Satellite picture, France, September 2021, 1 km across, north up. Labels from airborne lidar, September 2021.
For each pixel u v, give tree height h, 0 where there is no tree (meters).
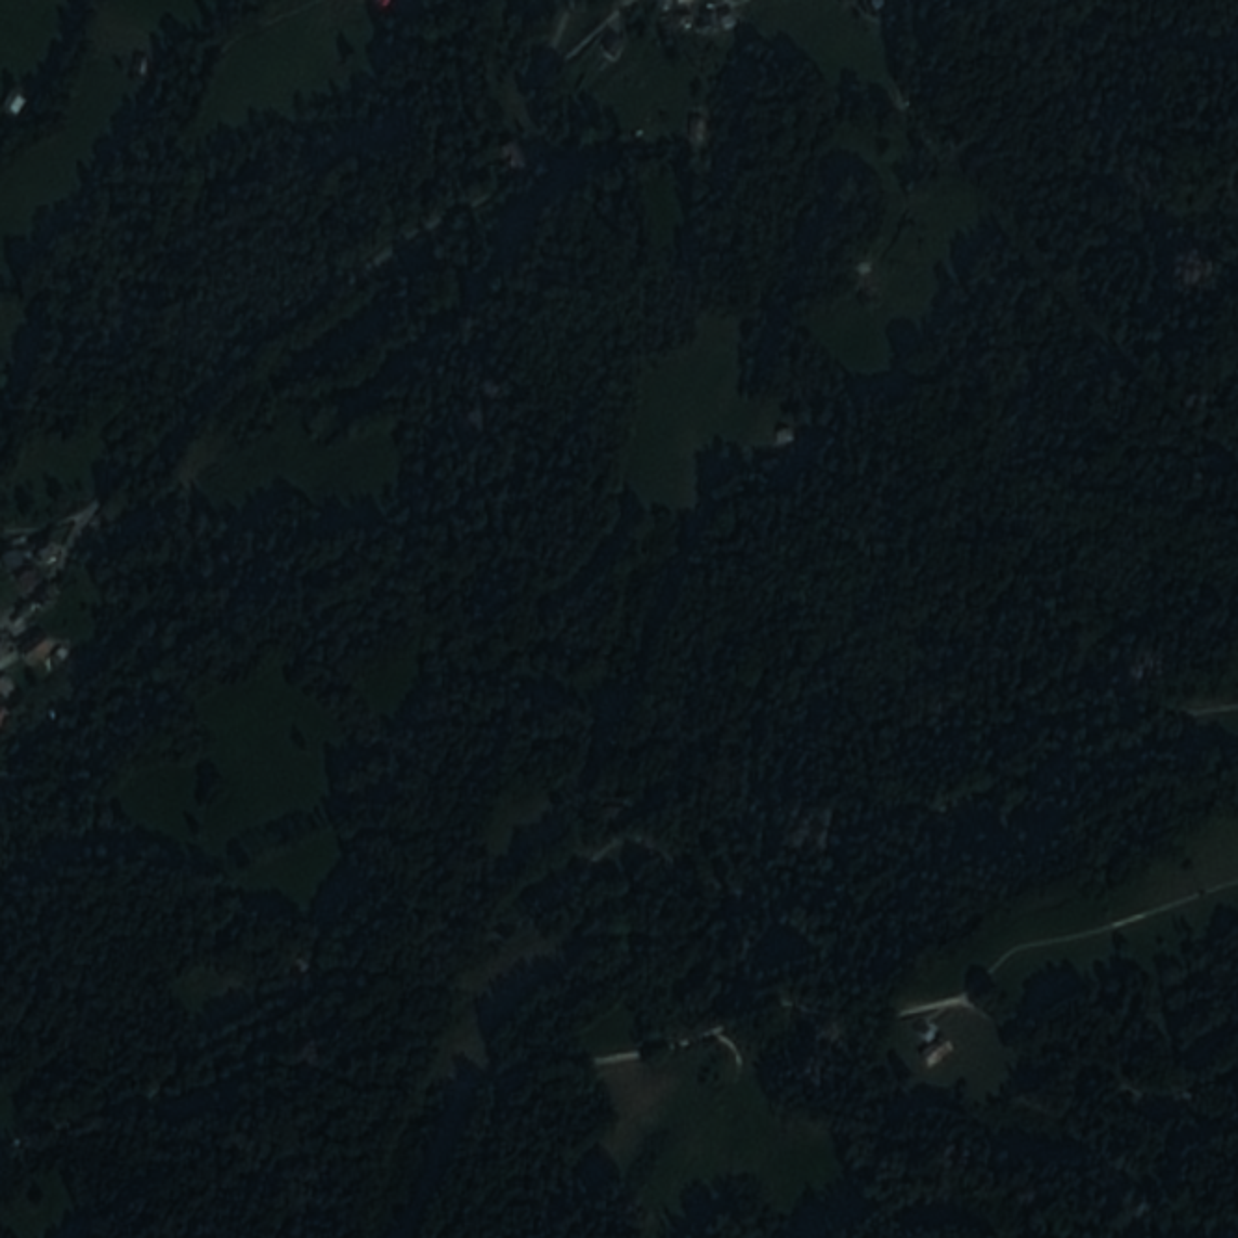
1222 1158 16
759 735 20
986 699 29
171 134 18
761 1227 7
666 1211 0
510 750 31
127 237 26
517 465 12
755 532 30
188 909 22
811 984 30
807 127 30
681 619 19
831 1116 29
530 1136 24
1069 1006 31
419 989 18
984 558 30
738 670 29
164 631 20
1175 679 26
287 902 0
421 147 27
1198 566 25
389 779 23
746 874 30
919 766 28
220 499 0
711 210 16
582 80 0
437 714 26
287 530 17
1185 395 24
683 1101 0
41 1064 17
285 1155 29
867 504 26
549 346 30
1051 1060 21
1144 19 26
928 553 34
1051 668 20
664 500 0
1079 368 20
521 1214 26
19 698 14
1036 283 23
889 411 24
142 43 0
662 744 16
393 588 27
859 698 26
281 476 0
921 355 28
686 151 7
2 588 0
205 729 15
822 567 27
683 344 14
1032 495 27
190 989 0
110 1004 20
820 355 14
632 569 21
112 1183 10
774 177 25
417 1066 34
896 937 18
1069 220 28
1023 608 17
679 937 27
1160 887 0
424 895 27
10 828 19
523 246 23
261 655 23
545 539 21
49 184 0
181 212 26
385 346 26
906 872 19
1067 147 31
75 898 27
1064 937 0
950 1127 26
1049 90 23
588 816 16
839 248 25
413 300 20
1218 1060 25
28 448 24
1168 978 18
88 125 0
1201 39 8
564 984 17
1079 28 12
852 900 22
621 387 20
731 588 26
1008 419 24
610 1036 0
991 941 0
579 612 18
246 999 0
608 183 30
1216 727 0
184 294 14
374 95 14
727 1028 26
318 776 0
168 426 19
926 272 0
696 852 6
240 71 0
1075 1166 23
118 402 28
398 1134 29
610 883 16
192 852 0
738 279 26
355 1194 24
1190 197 8
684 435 0
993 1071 0
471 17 24
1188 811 16
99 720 13
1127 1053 17
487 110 17
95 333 21
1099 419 23
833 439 19
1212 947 11
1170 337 14
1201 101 24
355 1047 27
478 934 19
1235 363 26
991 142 23
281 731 0
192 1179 26
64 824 22
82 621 0
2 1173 25
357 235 15
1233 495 33
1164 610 29
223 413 20
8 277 0
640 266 26
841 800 35
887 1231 27
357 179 13
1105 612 27
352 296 16
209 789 17
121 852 24
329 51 0
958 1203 6
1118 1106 24
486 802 28
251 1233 29
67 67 16
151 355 27
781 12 0
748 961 22
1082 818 21
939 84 24
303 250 19
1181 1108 6
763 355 9
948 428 28
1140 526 27
